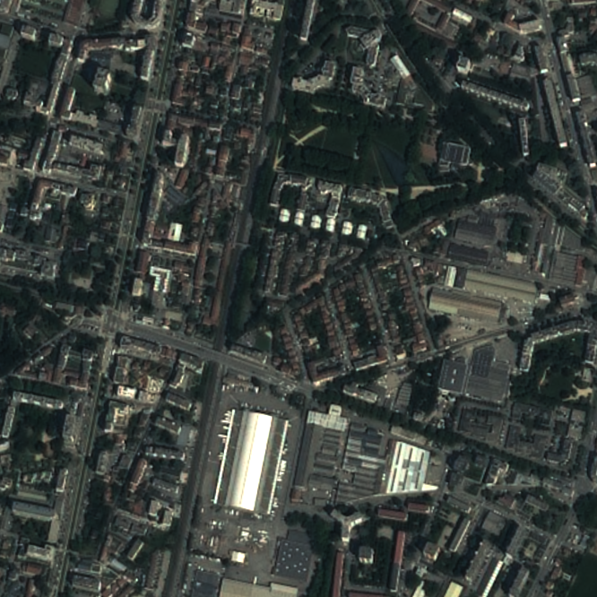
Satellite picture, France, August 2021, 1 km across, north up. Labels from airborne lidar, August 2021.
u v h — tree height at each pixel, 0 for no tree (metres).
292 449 0
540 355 11
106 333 0
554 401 11
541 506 0
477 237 0
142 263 0
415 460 0
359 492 0
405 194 20
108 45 0
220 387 0
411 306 0
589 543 12
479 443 9
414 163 20
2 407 14
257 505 0
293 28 24
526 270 0
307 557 0
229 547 0
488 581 0
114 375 0
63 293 12
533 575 8
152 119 0
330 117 20
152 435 14
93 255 18
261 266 12
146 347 0
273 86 0
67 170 0
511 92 13
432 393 9
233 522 0
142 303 9
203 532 0
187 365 0
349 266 12
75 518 0
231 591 0
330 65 0
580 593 0
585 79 0
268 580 0
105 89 0
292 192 19
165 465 13
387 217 0
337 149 0
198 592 0
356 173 22
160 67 10
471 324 0
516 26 0
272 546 0
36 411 27
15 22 0
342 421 0
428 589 20
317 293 10
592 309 8
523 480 0
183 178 0
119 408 0
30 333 0
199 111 10
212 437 0
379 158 0
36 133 16
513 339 10
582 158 0
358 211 12
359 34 0
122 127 0
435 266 0
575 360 8
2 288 13
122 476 8
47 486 10
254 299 8
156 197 0
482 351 0
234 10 0
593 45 8
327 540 15
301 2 15
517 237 21
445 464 0
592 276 0
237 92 0
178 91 0
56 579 0
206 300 6
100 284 13
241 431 0
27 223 20
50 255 0
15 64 7
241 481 0
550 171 0
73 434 0
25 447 17
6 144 6
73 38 0
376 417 15
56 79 0
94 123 0
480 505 0
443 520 6
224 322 0
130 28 0
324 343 5
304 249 12
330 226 0
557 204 9
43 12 7
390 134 0
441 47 18
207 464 0
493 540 10
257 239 8
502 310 0
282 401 0
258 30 7
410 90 0
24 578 6
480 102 0
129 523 0
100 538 12
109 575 0
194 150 6
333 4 14
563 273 0
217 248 0
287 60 13
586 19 8
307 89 0
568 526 0
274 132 21
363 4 12
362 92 0
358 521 0
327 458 0
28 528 13
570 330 0
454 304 0
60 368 0
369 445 0
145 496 8
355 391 0
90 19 0
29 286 16
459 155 0
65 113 0
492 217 0
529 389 11
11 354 15
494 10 9
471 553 0
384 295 0
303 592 0
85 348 6
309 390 0
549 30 0
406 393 0
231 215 6
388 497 0
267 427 0
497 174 25
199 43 0
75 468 0
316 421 0
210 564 0
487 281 0
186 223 6
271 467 0
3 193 0
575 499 0
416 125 16
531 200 11
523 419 8
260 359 0
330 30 18
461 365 0
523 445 0
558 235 0
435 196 20
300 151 25
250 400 0
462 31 6
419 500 9
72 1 0
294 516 16
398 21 25
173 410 9
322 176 28
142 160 12
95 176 0
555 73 0
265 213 24
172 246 0
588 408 13
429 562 0
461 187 17
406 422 18
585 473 0
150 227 0
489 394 0
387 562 11
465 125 17
